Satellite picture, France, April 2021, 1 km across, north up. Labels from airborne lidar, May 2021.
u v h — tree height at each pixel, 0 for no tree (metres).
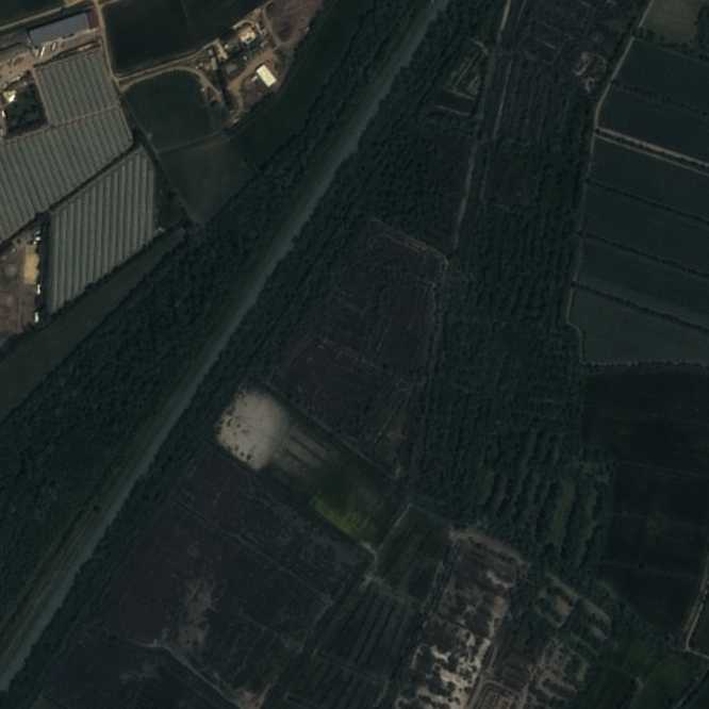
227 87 8
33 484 10
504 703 0
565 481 15
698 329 10
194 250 8
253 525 0
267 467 0
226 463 0
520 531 11
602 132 8
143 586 0
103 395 14
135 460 0
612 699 0
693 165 11
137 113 0
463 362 9
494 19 0
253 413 0
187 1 0
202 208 0
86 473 12
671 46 11
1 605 11
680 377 0
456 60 9
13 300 0
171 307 12
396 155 10
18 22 0
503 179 7
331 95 11
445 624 0
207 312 22
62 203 6
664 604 0
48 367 0
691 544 0
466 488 11
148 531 0
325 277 7
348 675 0
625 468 0
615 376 0
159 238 10
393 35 15
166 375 16
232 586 0
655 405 0
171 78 0
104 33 0
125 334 14
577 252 11
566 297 11
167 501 0
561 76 11
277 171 19
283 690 0
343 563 0
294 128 0
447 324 8
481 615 0
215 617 0
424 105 10
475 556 0
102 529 0
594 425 0
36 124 7
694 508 0
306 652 0
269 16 0
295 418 0
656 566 0
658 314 10
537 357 10
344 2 0
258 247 17
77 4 0
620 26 0
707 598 6
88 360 16
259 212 18
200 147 0
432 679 0
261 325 9
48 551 9
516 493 12
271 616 0
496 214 9
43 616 0
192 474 0
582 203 7
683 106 7
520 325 11
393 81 0
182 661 0
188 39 0
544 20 7
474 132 11
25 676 9
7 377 0
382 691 0
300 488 0
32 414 6
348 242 6
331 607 0
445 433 8
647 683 0
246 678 0
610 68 6
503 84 6
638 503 0
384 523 0
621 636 12
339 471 0
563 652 9
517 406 14
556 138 11
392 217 8
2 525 12
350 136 0
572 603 6
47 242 6
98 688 0
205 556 0
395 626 0
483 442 9
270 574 0
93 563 11
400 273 7
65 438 15
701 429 0
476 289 7
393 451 0
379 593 0
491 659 0
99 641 0
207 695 0
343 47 0
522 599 9
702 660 12
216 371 11
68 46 0
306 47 8
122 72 0
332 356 0
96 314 0
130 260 6
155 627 0
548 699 10
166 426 0
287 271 8
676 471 0
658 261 12
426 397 6
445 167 0
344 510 0
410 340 0
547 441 10
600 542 13
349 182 13
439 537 0
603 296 10
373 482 0
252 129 0
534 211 10
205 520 0
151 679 0
